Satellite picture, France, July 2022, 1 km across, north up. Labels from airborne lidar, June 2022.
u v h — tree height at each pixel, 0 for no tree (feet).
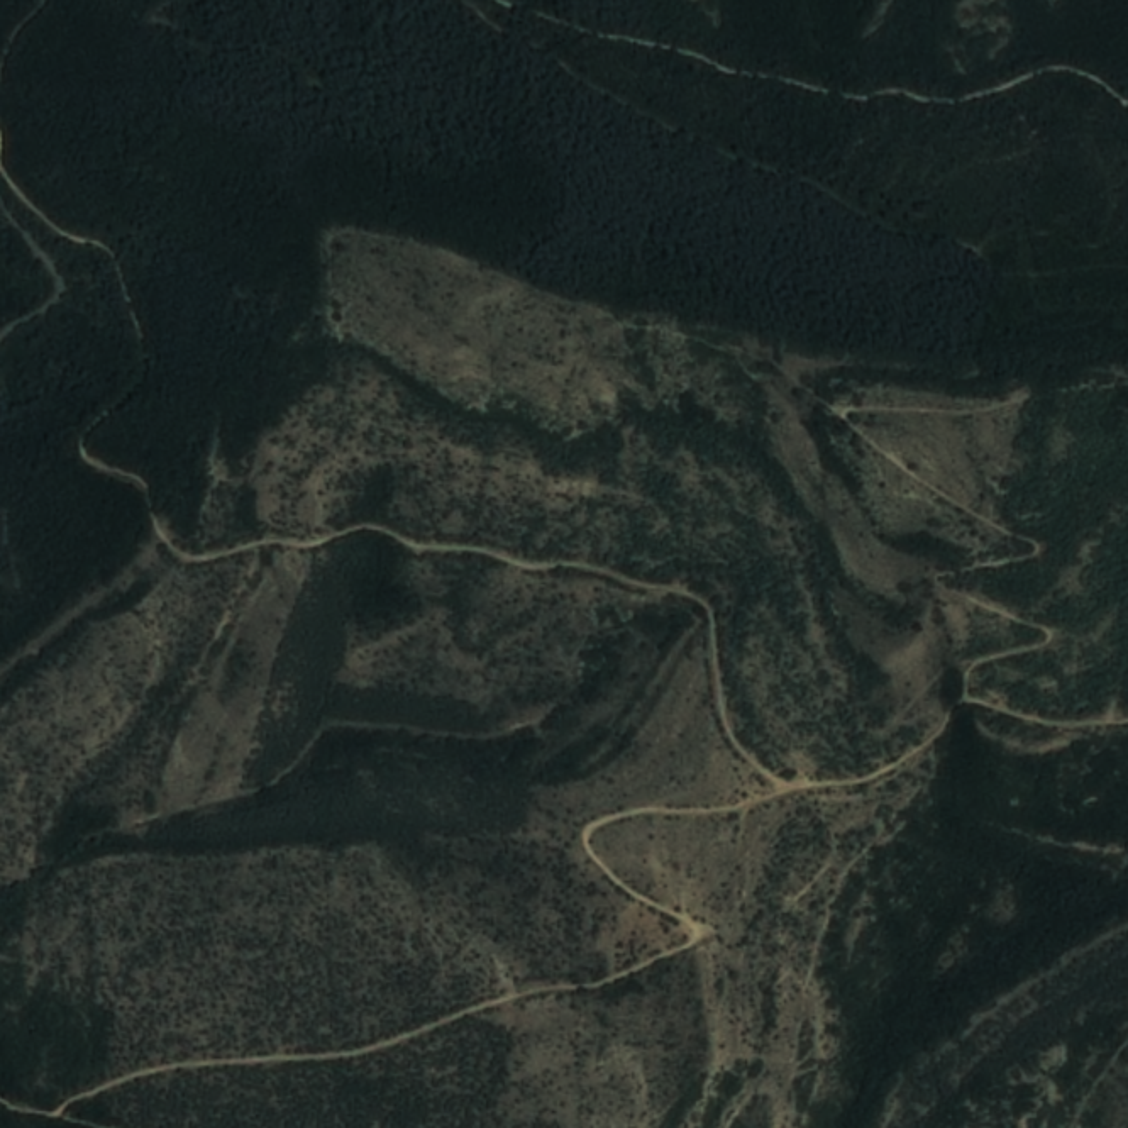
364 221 35
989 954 29
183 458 20
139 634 0
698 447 21
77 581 30
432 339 0
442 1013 22
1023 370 20
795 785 0
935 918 31
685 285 19
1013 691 22
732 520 22
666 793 0
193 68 40
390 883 0
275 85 57
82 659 0
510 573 0
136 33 20
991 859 21
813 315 29
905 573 0
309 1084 17
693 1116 0
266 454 0
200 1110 19
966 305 52
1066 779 0
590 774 0
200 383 31
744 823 0
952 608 0
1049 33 18
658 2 24
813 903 24
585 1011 0
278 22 50
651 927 0
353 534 19
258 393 19
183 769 0
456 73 26
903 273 53
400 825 18
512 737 20
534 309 0
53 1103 21
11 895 39
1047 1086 0
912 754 0
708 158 61
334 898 0
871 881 0
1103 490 22
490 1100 18
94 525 30
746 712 21
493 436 22
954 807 20
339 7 69
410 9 56
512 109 56
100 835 19
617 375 0
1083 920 18
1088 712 22
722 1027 0
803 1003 0
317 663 20
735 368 0
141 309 25
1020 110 18
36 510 28
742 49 32
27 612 19
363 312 0
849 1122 25
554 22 25
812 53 35
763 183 48
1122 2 21
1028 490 23
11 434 28
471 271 0
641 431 22
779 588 22
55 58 21
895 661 0
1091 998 18
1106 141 19
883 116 23
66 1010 17
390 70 74
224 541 19
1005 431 0
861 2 30
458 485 0
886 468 0
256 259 31
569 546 19
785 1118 0
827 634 19
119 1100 19
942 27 18
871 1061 41
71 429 29
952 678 23
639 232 61
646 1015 0
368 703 20
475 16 20
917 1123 26
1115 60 25
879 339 41
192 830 18
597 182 56
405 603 18
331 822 18
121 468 22
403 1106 20
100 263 41
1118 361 21
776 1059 0
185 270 27
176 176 24
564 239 44
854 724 18
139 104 28
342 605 36
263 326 24
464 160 71
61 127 23
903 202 39
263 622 0
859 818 0
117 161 26
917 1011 31
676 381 0
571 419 0
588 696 24
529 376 0
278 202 33
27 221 24
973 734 23
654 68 33
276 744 20
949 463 0
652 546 21
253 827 17
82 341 23
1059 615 23
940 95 24
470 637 0
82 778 20
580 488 0
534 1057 0
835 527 0
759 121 20
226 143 31
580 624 0
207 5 56
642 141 53
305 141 50
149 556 0
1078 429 24
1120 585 30
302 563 0
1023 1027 17
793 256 49
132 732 21
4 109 20
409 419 19
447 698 20
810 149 26
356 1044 19
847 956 0
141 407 24
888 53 21
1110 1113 0
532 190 55
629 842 0
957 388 20
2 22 25
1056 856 27
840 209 57
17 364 19
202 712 0
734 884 0
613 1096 0
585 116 51
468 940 0
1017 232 22
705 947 0
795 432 0
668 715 0
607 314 0
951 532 0
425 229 30
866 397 0
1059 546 19
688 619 0
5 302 26
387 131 83
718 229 55
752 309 53
